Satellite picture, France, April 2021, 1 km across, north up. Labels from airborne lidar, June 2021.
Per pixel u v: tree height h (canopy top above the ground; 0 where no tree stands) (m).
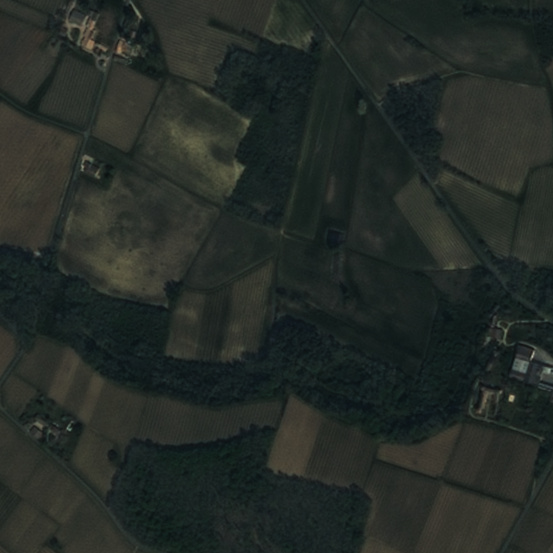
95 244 0
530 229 0
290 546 22
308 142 0
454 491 0
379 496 0
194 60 0
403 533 0
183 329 0
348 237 0
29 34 0
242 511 15
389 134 0
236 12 0
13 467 0
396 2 0
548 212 0
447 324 12
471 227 0
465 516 0
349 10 0
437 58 0
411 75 0
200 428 0
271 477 18
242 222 0
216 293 0
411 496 0
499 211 0
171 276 0
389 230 0
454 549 0
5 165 0
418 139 22
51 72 0
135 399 0
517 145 0
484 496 0
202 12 0
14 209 0
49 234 0
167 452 17
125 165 0
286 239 0
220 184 0
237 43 0
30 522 0
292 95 7
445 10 0
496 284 18
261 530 20
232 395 15
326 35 15
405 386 10
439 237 0
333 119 0
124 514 19
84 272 0
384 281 0
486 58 0
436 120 18
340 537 20
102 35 0
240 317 0
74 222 0
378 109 0
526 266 10
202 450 17
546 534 0
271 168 7
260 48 10
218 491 19
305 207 0
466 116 0
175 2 0
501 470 0
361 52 0
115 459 9
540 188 0
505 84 0
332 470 0
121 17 0
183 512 23
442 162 16
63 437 20
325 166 0
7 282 17
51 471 0
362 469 0
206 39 0
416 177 0
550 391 12
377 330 0
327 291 0
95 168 0
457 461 0
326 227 0
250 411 0
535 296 13
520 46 0
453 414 11
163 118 0
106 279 0
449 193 0
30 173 0
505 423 9
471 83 0
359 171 0
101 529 0
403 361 0
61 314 22
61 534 0
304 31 0
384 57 0
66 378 0
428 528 0
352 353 17
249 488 19
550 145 0
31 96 0
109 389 0
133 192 0
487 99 0
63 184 0
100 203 0
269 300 0
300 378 13
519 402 0
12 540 0
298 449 0
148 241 0
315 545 20
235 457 25
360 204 0
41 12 0
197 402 13
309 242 0
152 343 7
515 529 0
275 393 15
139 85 0
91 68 0
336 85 0
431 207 0
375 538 0
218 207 0
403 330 0
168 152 0
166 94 0
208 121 0
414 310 0
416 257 0
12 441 0
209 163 0
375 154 0
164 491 24
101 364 19
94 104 0
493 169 0
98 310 6
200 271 0
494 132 0
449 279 0
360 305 0
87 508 0
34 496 0
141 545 15
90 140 0
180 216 0
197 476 20
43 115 0
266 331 0
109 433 0
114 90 0
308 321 0
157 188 0
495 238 0
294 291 0
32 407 8
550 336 10
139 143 0
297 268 0
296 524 17
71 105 0
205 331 0
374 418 22
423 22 0
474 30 0
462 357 11
